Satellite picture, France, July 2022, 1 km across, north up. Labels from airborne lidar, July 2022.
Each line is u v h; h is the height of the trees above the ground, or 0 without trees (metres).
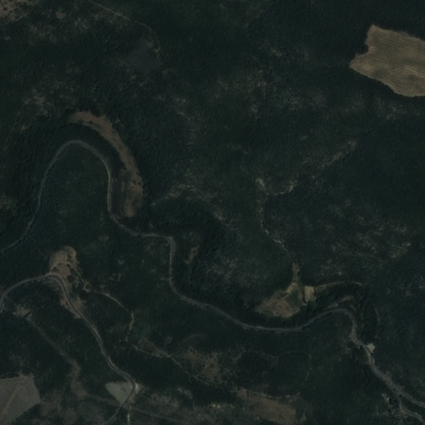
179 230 6
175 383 9
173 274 10
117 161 11
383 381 7
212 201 5
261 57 10
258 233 6
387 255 6
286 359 6
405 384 6
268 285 9
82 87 8
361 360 6
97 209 8
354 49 6
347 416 8
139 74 8
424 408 9
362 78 6
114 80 7
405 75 0
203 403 7
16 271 7
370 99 9
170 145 6
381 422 6
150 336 7
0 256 9
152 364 8
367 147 6
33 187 7
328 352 6
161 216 12
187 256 7
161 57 6
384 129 9
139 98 6
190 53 7
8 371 6
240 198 7
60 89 9
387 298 7
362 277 7
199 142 6
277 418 0
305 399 8
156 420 8
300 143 6
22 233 9
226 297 11
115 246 10
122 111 14
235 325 9
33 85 9
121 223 7
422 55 0
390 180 6
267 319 12
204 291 10
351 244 7
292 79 6
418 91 0
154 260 7
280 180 6
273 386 5
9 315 6
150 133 8
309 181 8
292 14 7
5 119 8
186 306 8
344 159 8
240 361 6
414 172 7
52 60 18
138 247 7
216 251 9
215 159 6
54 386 6
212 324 6
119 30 7
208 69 7
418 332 7
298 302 0
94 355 5
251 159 6
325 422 11
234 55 8
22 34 8
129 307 9
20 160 18
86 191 6
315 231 7
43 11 6
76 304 0
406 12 7
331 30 8
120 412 8
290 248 10
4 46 11
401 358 6
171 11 6
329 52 5
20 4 6
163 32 8
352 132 6
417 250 8
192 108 6
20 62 11
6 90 12
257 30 8
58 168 6
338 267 6
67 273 0
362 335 13
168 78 7
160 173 8
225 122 10
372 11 7
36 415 7
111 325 7
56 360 5
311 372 7
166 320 14
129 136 11
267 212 7
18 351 6
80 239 7
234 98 6
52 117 7
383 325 6
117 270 6
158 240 6
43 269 7
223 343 8
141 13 6
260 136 9
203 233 6
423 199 7
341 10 6
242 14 11
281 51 7
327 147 6
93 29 9
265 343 11
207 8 7
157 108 8
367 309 11
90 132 12
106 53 9
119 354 6
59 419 6
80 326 6
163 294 7
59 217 5
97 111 12
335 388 9
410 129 8
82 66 13
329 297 12
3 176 9
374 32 0
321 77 7
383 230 6
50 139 8
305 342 8
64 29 8
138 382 6
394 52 0
